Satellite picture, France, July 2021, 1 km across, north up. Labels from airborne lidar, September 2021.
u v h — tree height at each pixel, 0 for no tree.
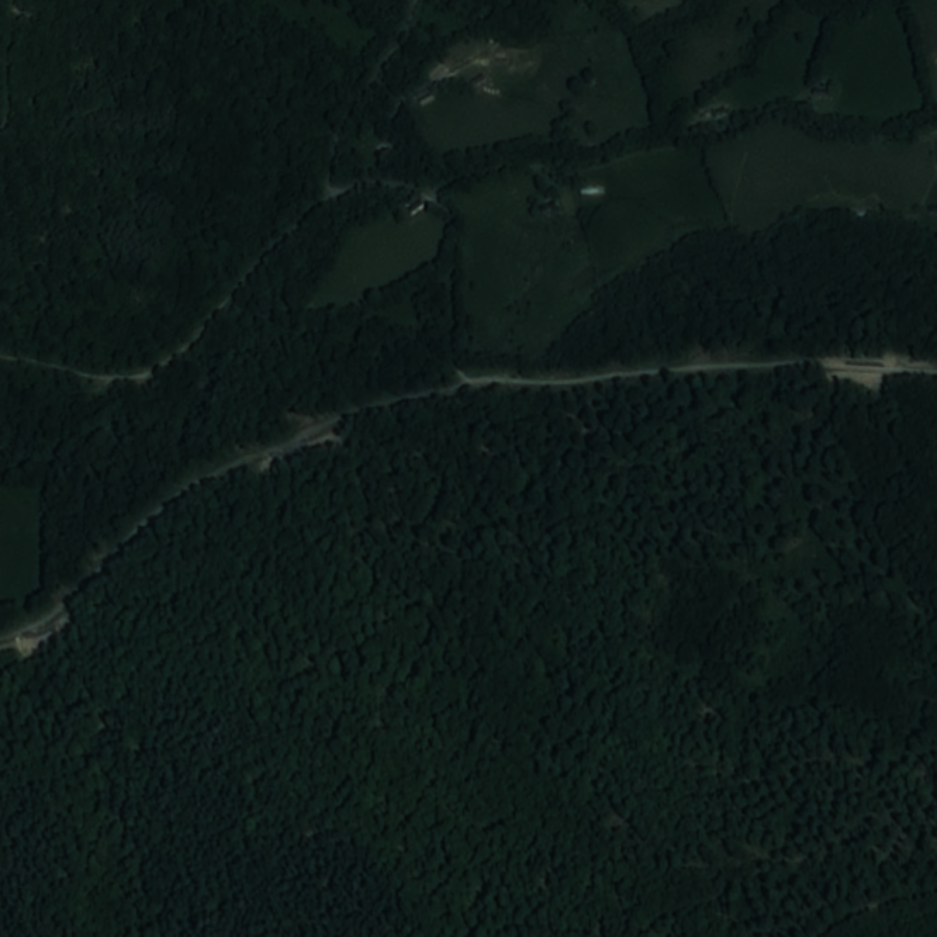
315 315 21
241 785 16
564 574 23
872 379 0
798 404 31
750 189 0
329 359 23
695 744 29
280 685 14
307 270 20
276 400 25
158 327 9
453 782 22
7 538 0
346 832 15
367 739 26
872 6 20
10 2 20
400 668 14
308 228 21
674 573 10
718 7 11
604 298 14
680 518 28
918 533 25
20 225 22
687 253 16
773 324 23
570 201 0
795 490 28
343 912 24
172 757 16
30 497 0
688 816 20
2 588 0
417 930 27
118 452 22
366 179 23
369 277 0
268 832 21
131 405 18
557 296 0
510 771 23
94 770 29
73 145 23
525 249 0
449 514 28
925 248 13
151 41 23
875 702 13
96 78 20
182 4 8
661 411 24
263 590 25
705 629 14
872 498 8
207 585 26
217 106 21
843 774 21
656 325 20
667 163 0
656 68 11
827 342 25
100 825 14
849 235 16
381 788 22
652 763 19
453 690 22
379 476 28
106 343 8
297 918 17
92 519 22
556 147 17
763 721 20
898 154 0
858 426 20
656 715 22
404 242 0
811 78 14
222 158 23
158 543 22
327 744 19
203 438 25
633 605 25
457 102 0
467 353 18
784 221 17
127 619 25
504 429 30
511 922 27
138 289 7
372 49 16
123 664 24
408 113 18
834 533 32
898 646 12
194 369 27
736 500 27
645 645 14
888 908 10
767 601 13
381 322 15
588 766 33
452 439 28
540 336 0
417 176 20
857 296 21
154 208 27
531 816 19
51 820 25
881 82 0
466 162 17
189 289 16
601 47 0
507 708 19
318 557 27
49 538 23
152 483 19
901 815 26
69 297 15
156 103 26
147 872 28
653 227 0
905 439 19
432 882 26
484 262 0
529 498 25
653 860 13
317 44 16
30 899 23
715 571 10
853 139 16
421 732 27
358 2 18
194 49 21
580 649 22
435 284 13
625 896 24
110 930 15
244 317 18
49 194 15
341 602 27
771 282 24
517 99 0
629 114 0
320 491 24
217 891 18
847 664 19
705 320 22
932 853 26
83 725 33
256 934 21
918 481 23
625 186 0
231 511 12
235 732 22
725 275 19
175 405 17
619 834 21
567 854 27
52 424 18
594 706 30
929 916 11
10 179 19
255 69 22
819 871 12
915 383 24
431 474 17
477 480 27
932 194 0
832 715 25
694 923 24
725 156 0
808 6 18
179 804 19
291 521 26
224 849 21
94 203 25
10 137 14
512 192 0
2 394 11
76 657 24
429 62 14
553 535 21
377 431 26
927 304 26
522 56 0
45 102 23
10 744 13
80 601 20
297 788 19
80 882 21
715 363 0
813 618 20
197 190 20
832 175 0
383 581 28
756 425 15
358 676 28
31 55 25
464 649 26
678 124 19
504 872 27
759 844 22
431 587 25
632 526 26
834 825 24
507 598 19
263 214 8
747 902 10
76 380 19
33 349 9
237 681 20
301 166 20
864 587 22
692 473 25
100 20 28
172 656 20
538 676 35
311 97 9
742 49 5
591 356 21
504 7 13
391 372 19
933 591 11
